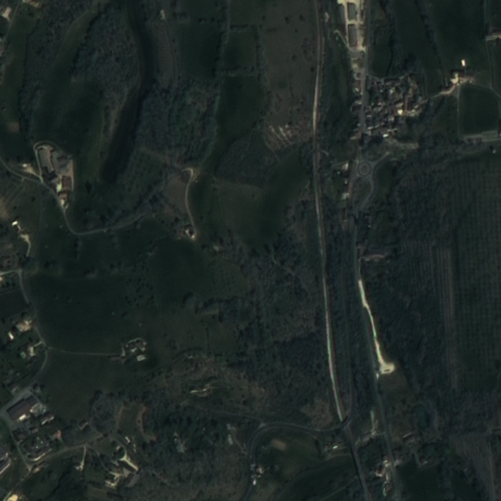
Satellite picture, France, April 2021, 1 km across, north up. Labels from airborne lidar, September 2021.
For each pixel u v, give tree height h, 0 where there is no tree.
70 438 19
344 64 6
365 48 0
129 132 0
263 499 0
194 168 18
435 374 18
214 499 6
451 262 10
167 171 18
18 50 0
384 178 0
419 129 32
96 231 0
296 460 0
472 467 31
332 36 0
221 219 0
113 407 17
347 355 9
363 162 0
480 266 13
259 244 0
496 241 10
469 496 0
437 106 0
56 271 17
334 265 20
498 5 0
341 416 0
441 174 9
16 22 0
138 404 10
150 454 15
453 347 9
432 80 0
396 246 14
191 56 0
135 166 12
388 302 12
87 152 0
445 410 11
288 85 0
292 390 13
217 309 19
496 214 14
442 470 14
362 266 12
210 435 12
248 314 5
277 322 7
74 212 0
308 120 9
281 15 0
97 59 14
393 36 17
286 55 0
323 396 7
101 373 0
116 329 0
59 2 17
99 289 0
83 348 0
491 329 14
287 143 11
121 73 18
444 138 0
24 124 12
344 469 0
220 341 0
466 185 18
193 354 13
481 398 19
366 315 0
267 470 7
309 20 0
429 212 13
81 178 0
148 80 0
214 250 0
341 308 14
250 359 9
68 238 0
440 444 12
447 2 0
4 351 9
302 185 0
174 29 0
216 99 10
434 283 15
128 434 0
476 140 0
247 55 0
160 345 0
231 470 8
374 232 11
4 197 0
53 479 13
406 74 11
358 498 10
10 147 0
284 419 10
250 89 0
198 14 0
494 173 13
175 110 20
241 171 17
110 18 18
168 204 15
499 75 0
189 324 0
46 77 12
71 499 20
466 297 12
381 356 0
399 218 19
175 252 0
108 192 0
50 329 0
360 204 0
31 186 0
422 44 0
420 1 20
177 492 14
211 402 10
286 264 14
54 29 10
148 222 0
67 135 0
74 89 0
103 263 0
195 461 12
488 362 10
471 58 0
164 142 20
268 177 12
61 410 0
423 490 0
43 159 0
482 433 11
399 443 0
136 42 0
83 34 0
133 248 0
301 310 11
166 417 8
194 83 13
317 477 0
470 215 15
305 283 16
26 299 0
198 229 0
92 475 0
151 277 0
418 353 15
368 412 16
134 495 18
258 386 7
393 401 0
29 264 28
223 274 8
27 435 11
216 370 16
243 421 15
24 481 12
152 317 0
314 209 6
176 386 16
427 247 22
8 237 11
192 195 0
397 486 0
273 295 15
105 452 0
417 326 14
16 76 0
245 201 0
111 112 19
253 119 0
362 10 0
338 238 16
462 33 0
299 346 22
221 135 0
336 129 20
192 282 0
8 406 0
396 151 38
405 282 12
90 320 0
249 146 8
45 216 0
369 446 8
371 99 6
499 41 7
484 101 0
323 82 6
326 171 14
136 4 0
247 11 0
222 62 9
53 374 0
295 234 7
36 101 19
